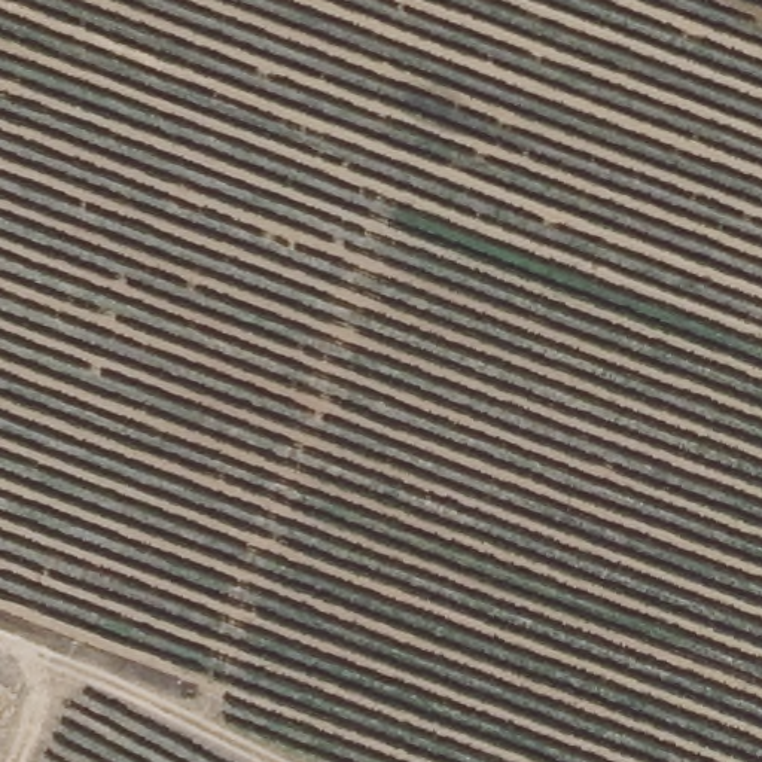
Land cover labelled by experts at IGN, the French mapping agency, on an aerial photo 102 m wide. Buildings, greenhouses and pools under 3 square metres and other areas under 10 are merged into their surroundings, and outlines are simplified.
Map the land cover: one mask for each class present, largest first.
<instances>
[{"label":"vineyard","instance_id":"1","mask_svg":"<svg viewBox=\"0 0 762 762\"><path fill-rule=\"evenodd\" d=\"M0 598L220 682L226 699V726L324 762H762V0H0ZM51 714L60 723L54 735H48L39 744L33 762H235L98 688H80L65 702H51Z\"/></svg>","mask_w":762,"mask_h":762},{"label":"pervious surface","instance_id":"2","mask_svg":"<svg viewBox=\"0 0 762 762\"><path fill-rule=\"evenodd\" d=\"M80 688H98L235 762H324L226 726V699L220 682L0 598V762H33L39 744L48 735H54L60 723L51 714V702H65Z\"/></svg>","mask_w":762,"mask_h":762}]
</instances>
